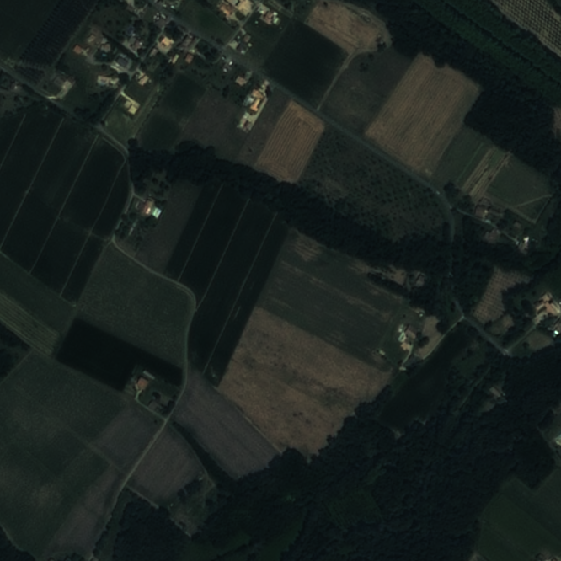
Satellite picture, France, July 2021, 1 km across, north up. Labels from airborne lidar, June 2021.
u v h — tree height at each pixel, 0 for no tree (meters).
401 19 23
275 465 21
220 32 0
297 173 0
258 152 0
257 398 0
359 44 0
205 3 13
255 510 20
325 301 0
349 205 12
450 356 0
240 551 11
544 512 0
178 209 0
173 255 0
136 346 0
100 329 0
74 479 0
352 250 14
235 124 0
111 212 0
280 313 0
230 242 0
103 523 0
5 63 0
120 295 0
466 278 23
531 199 0
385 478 22
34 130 0
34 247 0
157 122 0
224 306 0
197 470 0
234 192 0
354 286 0
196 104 0
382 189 7
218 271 0
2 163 0
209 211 0
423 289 12
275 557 0
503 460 22
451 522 25
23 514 0
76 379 0
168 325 0
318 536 16
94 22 0
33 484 0
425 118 0
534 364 19
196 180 16
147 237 0
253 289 0
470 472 21
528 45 36
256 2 0
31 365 0
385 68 0
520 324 14
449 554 26
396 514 16
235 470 0
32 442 0
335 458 16
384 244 18
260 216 0
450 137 0
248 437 0
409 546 27
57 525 0
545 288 0
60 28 17
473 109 9
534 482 11
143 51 17
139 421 0
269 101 0
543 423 17
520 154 13
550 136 24
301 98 0
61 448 0
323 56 0
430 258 12
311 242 0
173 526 20
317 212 20
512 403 19
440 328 17
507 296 25
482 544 0
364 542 13
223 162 11
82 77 0
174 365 0
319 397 0
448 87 0
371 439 20
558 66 36
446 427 30
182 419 0
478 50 16
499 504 0
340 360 0
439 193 0
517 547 0
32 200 0
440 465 18
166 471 0
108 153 0
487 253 22
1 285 0
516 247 7
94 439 0
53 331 0
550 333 8
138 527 21
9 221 0
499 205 0
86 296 0
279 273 0
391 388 10
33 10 0
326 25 0
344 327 0
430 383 0
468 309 21
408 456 20
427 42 17
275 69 0
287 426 0
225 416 0
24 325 0
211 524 20
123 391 0
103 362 0
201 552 0
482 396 10
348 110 0
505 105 18
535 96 12
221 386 0
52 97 0
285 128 0
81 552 0
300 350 0
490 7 35
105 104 12
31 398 0
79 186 0
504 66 11
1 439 0
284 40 0
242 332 0
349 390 0
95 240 0
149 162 21
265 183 20
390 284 15
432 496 21
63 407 0
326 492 23
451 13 35
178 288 0
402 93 0
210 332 0
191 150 14
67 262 0
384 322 0
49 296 0
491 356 16
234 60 0
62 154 0
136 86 0
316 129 0
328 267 0
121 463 0
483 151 0
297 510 20
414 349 0
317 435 0
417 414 0
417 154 0
